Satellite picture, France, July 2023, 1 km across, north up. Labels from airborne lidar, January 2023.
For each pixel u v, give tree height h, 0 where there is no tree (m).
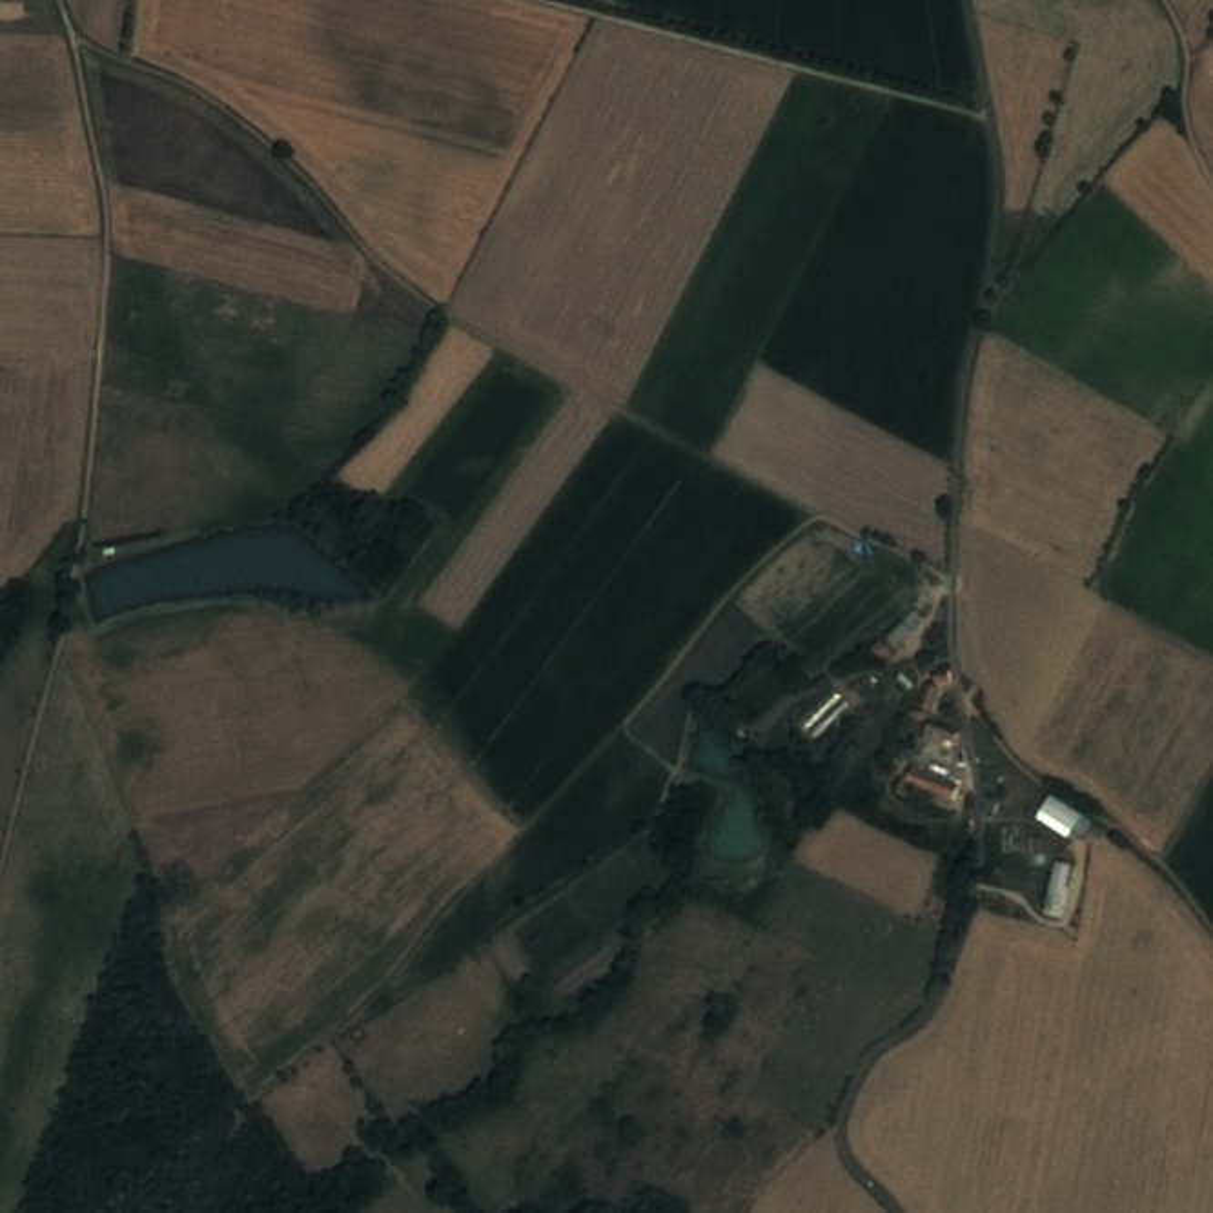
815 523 0
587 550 0
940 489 0
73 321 0
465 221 0
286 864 0
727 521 0
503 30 0
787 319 0
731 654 0
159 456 0
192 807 0
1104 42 0
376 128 0
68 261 0
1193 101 0
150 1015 13
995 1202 0
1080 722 0
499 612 0
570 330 0
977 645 0
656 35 0
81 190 0
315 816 0
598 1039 0
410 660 0
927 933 0
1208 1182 0
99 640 0
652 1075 0
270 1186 6
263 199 0
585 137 0
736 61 0
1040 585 0
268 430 0
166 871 0
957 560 0
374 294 0
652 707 0
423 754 0
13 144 0
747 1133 0
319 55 0
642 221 0
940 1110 0
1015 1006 0
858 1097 0
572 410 0
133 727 0
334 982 0
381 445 0
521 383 0
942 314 0
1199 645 0
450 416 0
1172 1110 0
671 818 8
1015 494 0
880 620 0
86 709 0
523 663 0
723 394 0
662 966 0
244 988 0
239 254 0
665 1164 0
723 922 0
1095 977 0
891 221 0
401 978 0
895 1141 0
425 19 0
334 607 8
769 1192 0
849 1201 0
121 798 0
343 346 0
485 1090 18
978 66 0
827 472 0
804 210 0
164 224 0
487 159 0
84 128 0
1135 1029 0
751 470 0
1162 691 0
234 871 0
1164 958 0
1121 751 0
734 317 0
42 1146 8
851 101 0
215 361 0
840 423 0
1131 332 0
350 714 0
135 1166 6
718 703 26
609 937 0
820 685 13
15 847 0
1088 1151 0
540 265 0
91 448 0
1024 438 0
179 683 0
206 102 0
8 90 0
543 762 0
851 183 0
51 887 0
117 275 0
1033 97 0
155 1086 18
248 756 0
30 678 0
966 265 0
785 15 0
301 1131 0
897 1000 0
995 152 0
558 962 0
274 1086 0
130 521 0
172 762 0
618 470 0
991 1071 0
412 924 0
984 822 0
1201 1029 0
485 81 0
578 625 0
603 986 5
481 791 0
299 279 0
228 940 0
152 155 0
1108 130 0
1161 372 0
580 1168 0
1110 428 0
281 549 0
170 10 0
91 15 0
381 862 0
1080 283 0
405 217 0
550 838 0
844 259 0
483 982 0
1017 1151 0
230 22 0
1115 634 0
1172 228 0
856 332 0
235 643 0
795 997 0
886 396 0
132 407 0
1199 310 0
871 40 0
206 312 0
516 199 0
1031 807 0
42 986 0
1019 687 0
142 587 0
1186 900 0
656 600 0
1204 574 0
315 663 0
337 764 0
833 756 12
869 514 0
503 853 0
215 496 0
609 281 0
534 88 0
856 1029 0
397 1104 0
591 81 0
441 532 0
